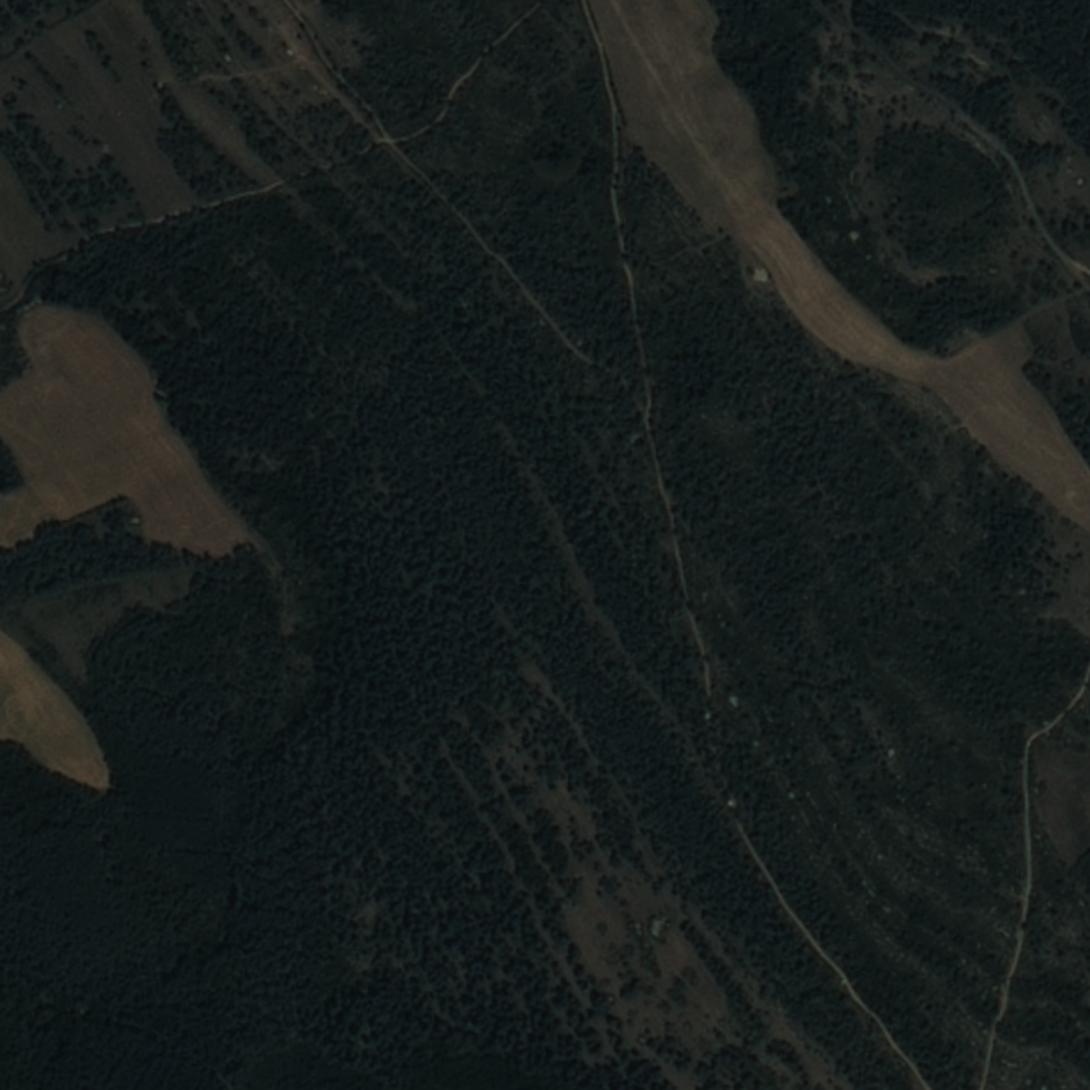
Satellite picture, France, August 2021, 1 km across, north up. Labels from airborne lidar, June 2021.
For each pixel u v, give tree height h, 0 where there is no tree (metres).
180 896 7
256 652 9
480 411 10
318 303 10
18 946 18
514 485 8
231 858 21
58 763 0
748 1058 6
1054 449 0
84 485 0
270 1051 19
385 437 12
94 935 14
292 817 17
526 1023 12
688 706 12
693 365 12
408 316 6
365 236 8
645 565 8
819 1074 0
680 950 0
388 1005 12
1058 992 7
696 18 0
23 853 15
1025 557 15
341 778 13
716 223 0
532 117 0
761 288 0
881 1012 9
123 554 9
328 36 0
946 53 9
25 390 0
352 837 11
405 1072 11
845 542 8
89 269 8
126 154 0
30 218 0
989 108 13
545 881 9
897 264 0
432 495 13
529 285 8
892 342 0
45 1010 16
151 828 10
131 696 14
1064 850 0
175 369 13
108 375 0
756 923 11
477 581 12
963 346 0
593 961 0
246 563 8
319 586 7
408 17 0
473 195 6
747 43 8
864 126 0
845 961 9
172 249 11
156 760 14
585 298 9
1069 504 0
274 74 0
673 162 0
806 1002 11
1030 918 6
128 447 0
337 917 8
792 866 9
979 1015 7
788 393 7
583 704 11
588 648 9
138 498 0
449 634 9
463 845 11
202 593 9
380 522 14
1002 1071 0
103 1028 10
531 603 10
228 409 13
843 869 8
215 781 9
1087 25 8
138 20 0
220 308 8
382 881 10
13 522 0
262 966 12
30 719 0
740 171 0
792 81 8
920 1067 8
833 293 0
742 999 10
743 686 10
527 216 9
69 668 0
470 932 16
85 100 0
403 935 9
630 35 0
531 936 7
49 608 0
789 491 12
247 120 6
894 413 8
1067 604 0
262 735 7
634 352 11
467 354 13
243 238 7
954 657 11
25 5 10
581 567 11
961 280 8
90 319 0
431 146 6
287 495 9
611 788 7
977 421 0
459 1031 11
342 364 7
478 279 13
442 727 8
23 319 0
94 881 13
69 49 0
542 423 10
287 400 10
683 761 9
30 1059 15
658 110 0
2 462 16
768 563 7
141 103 0
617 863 7
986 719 10
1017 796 6
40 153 12
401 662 11
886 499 8
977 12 14
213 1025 14
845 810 0
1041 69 12
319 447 13
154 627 13
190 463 0
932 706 0
